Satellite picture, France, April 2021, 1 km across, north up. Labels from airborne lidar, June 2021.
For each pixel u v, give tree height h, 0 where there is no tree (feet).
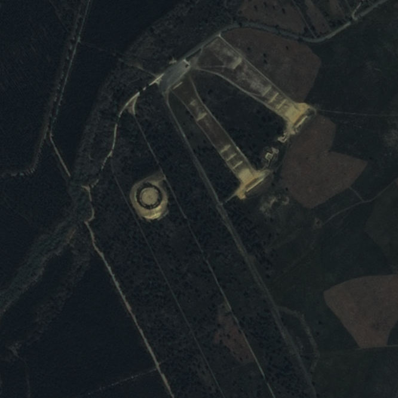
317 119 0
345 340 0
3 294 39
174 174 53
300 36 33
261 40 0
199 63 0
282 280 0
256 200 0
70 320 32
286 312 0
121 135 30
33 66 46
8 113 51
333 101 0
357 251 0
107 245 34
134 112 0
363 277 0
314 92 0
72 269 28
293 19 0
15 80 45
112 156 22
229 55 0
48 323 27
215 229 21
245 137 29
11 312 32
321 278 0
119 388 30
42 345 31
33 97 46
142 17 32
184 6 43
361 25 0
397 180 0
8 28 51
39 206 52
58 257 34
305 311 0
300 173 0
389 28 0
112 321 31
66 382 34
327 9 0
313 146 0
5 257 29
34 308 27
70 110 34
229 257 33
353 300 0
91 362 29
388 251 0
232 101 0
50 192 52
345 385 0
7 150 50
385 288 0
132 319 29
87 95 34
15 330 32
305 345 0
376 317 0
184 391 41
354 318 0
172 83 0
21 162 45
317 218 0
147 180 0
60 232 29
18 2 47
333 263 0
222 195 26
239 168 0
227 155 0
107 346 28
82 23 35
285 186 0
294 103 0
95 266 21
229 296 0
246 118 0
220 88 0
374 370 0
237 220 31
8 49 47
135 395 30
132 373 29
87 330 30
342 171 0
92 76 33
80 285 33
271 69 0
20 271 31
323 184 0
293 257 0
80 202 33
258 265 0
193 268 0
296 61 0
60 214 53
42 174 52
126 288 33
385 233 0
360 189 0
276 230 0
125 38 30
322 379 0
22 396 30
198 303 0
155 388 31
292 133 0
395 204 0
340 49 0
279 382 30
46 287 31
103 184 24
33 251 31
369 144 0
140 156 27
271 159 0
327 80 0
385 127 0
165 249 31
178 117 0
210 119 0
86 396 30
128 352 31
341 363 0
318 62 0
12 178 53
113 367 31
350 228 0
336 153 0
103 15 30
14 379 32
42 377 26
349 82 0
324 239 0
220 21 21
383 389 0
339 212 0
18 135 47
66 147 33
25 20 43
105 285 33
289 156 0
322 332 0
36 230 28
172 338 36
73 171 26
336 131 0
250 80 0
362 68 0
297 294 0
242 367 0
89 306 28
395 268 20
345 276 0
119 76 25
